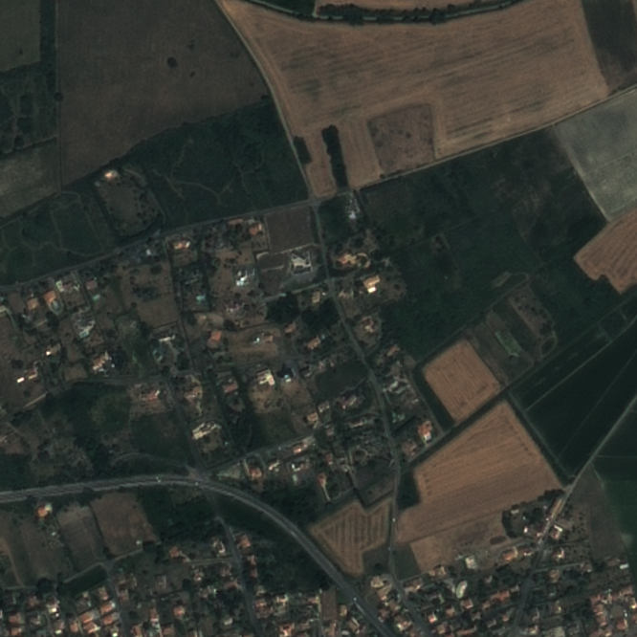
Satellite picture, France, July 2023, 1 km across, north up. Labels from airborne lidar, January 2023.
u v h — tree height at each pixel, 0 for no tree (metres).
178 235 0
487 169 0
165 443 0
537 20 0
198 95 0
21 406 0
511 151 0
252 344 0
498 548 0
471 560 0
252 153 11
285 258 0
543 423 0
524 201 0
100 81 0
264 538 12
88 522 0
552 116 0
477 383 0
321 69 0
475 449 0
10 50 0
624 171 0
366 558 0
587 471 0
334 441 9
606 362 0
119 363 8
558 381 0
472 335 0
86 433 7
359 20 16
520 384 0
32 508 5
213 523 8
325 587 12
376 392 0
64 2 0
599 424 0
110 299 0
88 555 0
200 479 0
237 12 0
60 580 6
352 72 0
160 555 15
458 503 0
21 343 0
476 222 6
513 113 0
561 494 9
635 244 0
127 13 0
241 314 0
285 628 0
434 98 0
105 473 11
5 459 6
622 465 0
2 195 0
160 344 9
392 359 9
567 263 9
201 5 0
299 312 12
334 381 0
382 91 0
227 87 0
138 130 0
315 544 0
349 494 0
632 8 0
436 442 0
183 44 0
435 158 0
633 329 0
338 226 6
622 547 0
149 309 0
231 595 10
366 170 0
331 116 0
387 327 11
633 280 0
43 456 14
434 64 0
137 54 0
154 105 0
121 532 0
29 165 0
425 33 0
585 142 0
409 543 0
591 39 0
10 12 0
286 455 0
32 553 0
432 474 0
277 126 11
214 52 0
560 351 0
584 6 0
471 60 0
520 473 0
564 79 0
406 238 0
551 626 0
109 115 0
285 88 0
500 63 0
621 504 0
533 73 0
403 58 0
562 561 8
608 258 0
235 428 14
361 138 0
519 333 0
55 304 0
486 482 0
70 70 0
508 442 0
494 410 0
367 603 0
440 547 0
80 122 0
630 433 0
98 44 0
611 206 0
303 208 0
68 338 10
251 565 5
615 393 0
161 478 0
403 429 10
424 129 0
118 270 8
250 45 0
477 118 0
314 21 11
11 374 0
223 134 10
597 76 0
